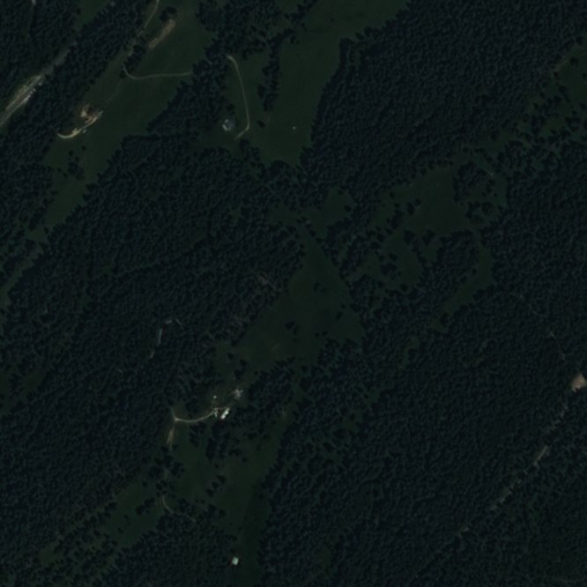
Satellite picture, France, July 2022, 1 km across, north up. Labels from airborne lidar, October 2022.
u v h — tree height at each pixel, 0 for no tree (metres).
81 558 18
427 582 28
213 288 21
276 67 24
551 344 18
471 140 17
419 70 21
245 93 0
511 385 17
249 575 0
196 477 0
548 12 28
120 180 22
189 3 0
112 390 16
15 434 17
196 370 16
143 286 25
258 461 0
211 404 0
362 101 25
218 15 7
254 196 32
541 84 26
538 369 18
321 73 0
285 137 0
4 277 14
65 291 21
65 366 19
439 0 23
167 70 0
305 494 18
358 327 0
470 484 21
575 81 0
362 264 20
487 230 9
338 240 21
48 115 30
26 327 29
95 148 0
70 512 25
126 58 0
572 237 21
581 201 19
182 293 36
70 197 0
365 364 17
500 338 18
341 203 0
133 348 21
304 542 24
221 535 23
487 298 22
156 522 0
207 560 14
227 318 25
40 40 20
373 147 23
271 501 0
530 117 19
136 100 0
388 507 30
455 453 24
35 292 27
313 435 31
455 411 19
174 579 13
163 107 0
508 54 27
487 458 21
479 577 7
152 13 0
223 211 22
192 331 21
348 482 34
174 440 0
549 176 16
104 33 11
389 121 29
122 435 11
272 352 0
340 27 0
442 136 23
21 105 0
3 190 13
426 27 27
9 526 30
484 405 24
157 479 16
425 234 0
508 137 0
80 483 22
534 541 10
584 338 22
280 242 31
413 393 24
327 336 7
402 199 0
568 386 21
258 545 0
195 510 18
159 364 25
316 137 17
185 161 10
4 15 29
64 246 12
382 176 21
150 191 14
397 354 22
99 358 15
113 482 23
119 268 15
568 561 9
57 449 24
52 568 9
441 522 26
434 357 19
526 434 24
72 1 35
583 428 26
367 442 29
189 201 27
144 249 21
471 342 21
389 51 25
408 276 0
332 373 0
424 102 24
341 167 27
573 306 17
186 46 0
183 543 18
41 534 22
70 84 25
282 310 0
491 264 0
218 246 14
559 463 20
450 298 16
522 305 20
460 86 21
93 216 24
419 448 28
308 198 22
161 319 30
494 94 20
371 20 0
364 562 18
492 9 23
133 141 18
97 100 0
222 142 0
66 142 0
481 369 17
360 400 29
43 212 17
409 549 26
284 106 0
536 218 13
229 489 0
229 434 8
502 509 25
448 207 0
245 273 23
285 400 19
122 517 0
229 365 0
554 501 7
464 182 19
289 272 21
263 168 22
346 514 20
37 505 36
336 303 0
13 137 19
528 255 28
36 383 0
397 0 0
